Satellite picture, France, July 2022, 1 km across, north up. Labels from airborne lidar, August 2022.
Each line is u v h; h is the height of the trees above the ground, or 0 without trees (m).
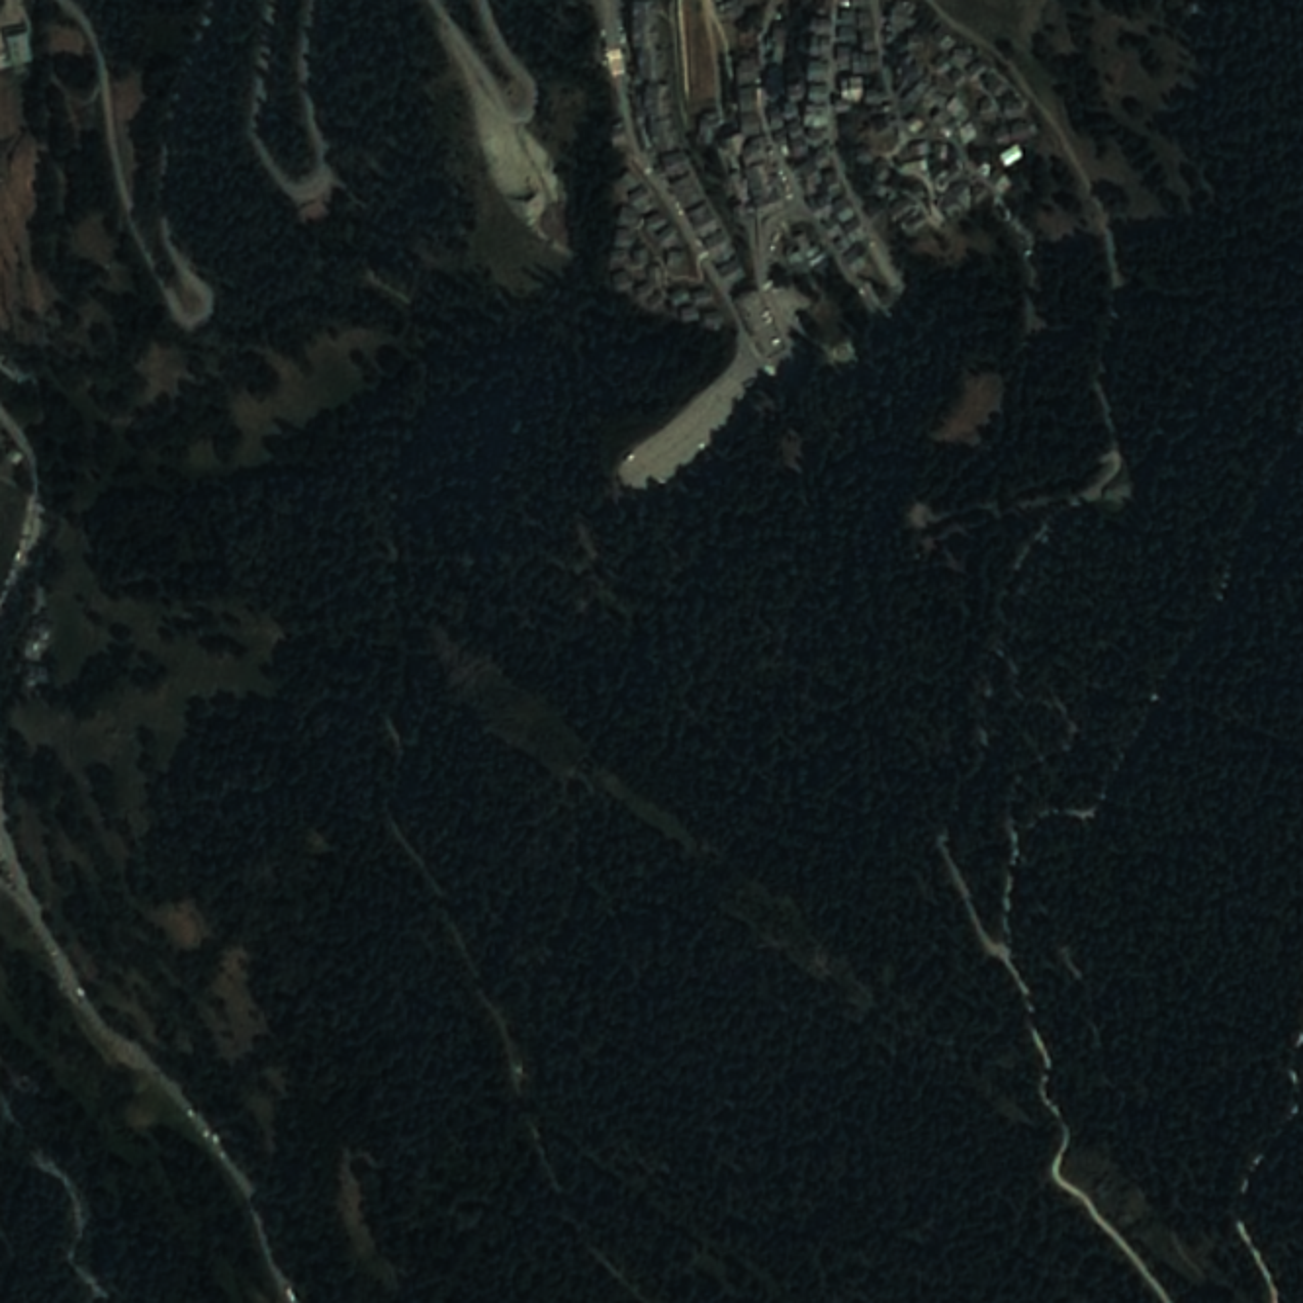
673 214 0
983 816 27
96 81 13
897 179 14
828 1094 11
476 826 12
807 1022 26
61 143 18
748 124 0
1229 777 10
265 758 19
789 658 31
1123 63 0
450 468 22
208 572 17
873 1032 18
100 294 18
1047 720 25
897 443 31
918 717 32
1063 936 21
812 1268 20
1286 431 11
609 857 24
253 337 17
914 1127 23
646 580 16
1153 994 23
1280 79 26
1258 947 23
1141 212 0
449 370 33
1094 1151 15
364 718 33
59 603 0
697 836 18
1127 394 18
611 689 25
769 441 14
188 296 0
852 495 31
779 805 28
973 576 14
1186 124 14
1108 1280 20
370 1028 30
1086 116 9
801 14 8
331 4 13
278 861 20
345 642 6
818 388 28
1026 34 0
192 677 0
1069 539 23
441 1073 24
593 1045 18
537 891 18
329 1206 18
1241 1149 22
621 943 29
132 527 8
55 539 43
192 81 13
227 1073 19
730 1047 20
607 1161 24
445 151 25
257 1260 17
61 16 16
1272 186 28
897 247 9
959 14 0
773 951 10
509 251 0
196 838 26
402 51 30
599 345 15
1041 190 19
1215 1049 20
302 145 14
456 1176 21
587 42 10
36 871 13
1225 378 32
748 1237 23
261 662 0
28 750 17
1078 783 22
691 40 0
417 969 27
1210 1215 15
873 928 12
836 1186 16
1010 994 26
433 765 18
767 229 0
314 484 31
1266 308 16
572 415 26
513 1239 18
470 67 0
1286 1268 18
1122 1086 22
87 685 6
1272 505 9
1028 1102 11
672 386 32
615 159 16
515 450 16
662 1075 17
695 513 27
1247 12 29
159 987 18
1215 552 31
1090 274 19
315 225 15
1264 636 29
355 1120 19
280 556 23
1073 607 22
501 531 12
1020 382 15
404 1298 8
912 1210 16
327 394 0
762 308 0
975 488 15
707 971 24
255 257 28
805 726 27
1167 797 22
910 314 11
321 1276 21
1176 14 17
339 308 26
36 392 19
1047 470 27
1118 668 24
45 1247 26
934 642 22
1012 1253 22
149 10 22
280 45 23
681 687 23
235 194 27
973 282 17
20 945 0
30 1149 6
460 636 23
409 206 33
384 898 20
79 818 15
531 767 18
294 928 15
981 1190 20
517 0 19
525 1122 7
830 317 0
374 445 34
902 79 7
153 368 0
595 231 14
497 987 24
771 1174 12
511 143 0
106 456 18
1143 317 22
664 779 21
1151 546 26
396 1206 22
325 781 13
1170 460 29
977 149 12
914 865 24
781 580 28
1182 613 24
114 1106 15
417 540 11
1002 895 22
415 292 29
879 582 17
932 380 26
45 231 15
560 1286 19
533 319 8
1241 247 19
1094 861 21
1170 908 24
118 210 13
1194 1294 23
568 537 21
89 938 17
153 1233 15
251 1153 16
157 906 14
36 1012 16
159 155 9
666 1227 19
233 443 19
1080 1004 23
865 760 29
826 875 19
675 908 15
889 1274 19
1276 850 23
